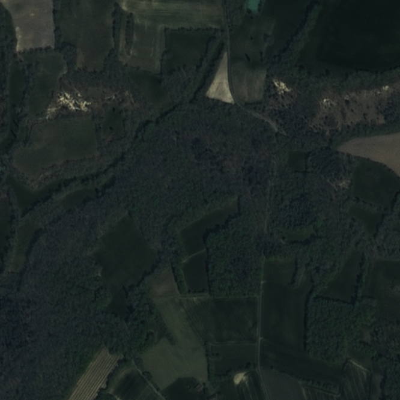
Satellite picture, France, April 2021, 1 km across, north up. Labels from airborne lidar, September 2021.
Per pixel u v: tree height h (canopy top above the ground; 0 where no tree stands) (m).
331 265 28
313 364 0
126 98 10
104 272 0
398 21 0
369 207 14
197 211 24
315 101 11
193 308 0
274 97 10
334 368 0
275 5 0
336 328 24
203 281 0
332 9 0
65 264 20
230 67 0
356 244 12
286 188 10
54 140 0
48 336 11
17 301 17
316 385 9
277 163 15
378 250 13
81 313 14
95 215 16
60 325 19
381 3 0
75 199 0
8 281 9
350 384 0
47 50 10
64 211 12
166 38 10
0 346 7
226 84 0
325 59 0
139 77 0
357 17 0
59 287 19
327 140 15
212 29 10
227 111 8
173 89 21
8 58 14
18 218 20
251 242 22
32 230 0
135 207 23
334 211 17
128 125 19
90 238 17
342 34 0
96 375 0
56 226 19
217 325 0
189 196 23
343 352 21
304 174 8
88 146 0
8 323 7
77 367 21
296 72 12
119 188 20
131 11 0
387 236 17
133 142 19
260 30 0
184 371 0
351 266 0
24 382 11
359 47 0
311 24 17
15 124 0
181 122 19
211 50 19
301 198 14
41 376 17
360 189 0
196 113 19
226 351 0
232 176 11
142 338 28
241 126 15
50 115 0
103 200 20
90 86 14
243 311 0
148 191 17
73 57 20
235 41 0
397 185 0
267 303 0
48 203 20
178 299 0
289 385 0
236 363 0
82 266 15
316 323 21
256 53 0
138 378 0
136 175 18
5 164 23
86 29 0
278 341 0
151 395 0
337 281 0
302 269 19
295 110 12
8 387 16
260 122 8
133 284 0
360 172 0
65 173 17
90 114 10
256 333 0
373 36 0
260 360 0
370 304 20
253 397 0
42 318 14
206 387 11
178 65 0
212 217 0
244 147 15
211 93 0
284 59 18
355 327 26
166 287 0
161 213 19
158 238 15
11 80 0
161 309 0
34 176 0
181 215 18
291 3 0
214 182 13
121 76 18
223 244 22
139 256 0
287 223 12
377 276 0
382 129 14
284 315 0
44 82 0
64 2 0
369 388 0
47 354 20
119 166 24
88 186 17
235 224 16
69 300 21
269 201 12
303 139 13
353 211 0
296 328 0
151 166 17
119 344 22
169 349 0
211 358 16
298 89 8
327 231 16
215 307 0
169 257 19
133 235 0
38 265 13
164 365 0
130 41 15
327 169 20
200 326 0
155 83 0
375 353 22
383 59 0
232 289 25
